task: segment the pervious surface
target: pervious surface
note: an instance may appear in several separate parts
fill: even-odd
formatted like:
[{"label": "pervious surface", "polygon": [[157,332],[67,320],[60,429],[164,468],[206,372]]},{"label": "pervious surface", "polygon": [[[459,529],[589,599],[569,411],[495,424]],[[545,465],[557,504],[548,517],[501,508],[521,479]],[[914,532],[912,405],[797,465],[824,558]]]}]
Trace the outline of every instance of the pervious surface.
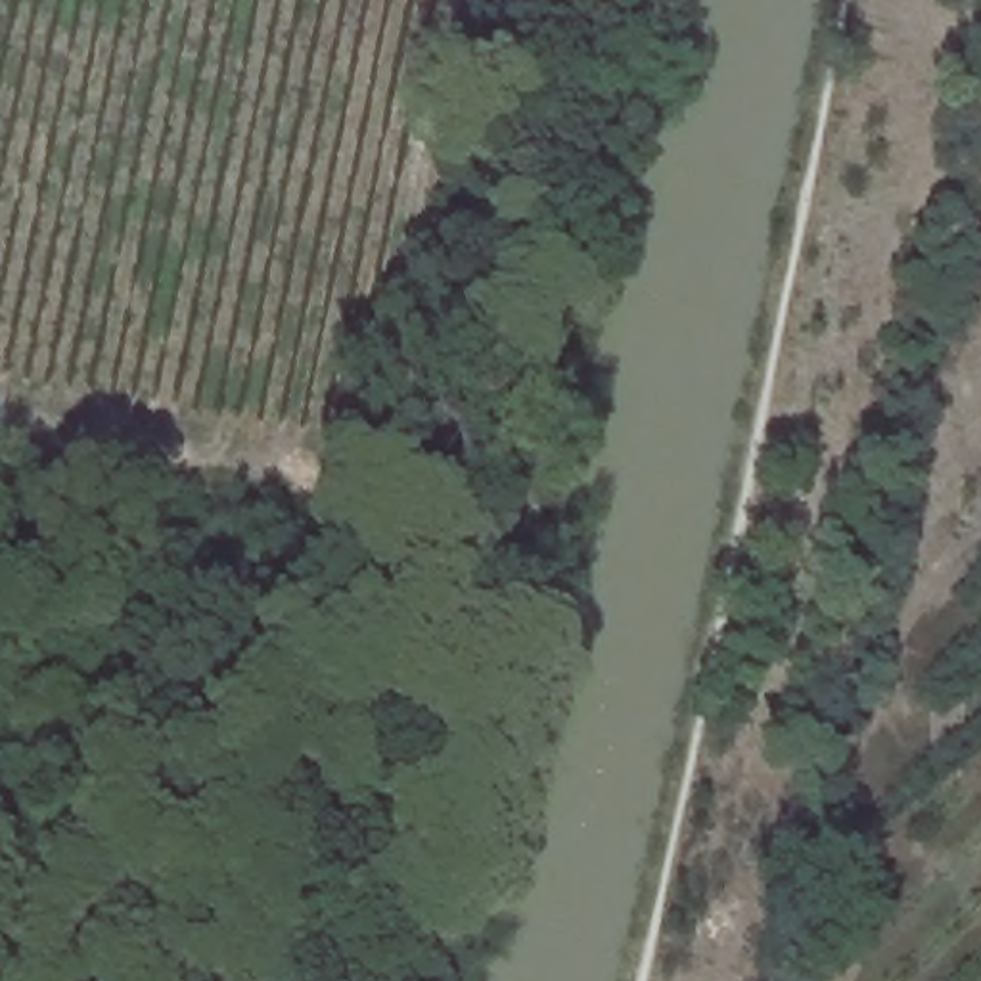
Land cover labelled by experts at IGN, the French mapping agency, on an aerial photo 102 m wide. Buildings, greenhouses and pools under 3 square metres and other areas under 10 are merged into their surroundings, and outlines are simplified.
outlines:
[{"label": "pervious surface", "polygon": [[648,931],[640,943],[636,981],[651,981],[655,966],[678,843],[705,743],[705,720],[697,717],[690,724],[686,763],[671,809]]},{"label": "pervious surface", "polygon": [[755,471],[770,418],[835,80],[820,84],[816,115],[812,130],[759,402],[743,448],[740,475],[732,513],[732,533],[740,536],[747,533],[751,502],[759,498]]}]

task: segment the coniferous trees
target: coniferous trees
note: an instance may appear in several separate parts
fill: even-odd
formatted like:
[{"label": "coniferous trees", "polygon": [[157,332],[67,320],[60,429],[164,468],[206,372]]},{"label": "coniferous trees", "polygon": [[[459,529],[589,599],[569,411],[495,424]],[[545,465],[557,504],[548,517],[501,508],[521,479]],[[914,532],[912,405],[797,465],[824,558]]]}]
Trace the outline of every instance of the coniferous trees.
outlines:
[{"label": "coniferous trees", "polygon": [[88,640],[96,628],[96,613],[69,613],[65,621],[46,617],[38,628],[31,628],[31,636]]},{"label": "coniferous trees", "polygon": [[23,487],[46,483],[46,468],[73,441],[100,441],[107,448],[146,448],[165,468],[180,456],[184,445],[172,414],[130,402],[126,395],[84,395],[73,410],[65,410],[57,425],[42,425],[27,441],[15,429],[0,433],[0,506],[15,521],[15,548],[34,540],[38,529],[23,513]]},{"label": "coniferous trees", "polygon": [[19,667],[23,678],[38,678],[54,667],[73,671],[80,678],[88,674],[88,667],[80,667],[69,655],[42,655]]},{"label": "coniferous trees", "polygon": [[314,487],[295,491],[280,471],[268,471],[264,479],[253,479],[241,491],[249,506],[280,506],[295,533],[280,552],[241,559],[234,579],[264,598],[257,602],[261,621],[249,625],[238,648],[211,663],[199,678],[192,678],[184,701],[176,701],[165,713],[149,713],[142,728],[115,728],[107,720],[88,724],[88,732],[80,736],[88,774],[77,782],[73,805],[57,816],[42,824],[27,820],[11,789],[0,782],[0,981],[295,981],[287,947],[307,931],[303,897],[318,897],[310,881],[314,866],[364,866],[383,881],[399,881],[399,904],[414,916],[422,931],[437,935],[433,950],[425,954],[425,966],[418,970],[425,973],[422,981],[487,981],[491,962],[510,950],[521,927],[513,908],[533,893],[536,881],[536,851],[544,851],[548,843],[540,835],[540,812],[556,782],[552,763],[563,755],[559,736],[571,720],[571,694],[582,682],[582,671],[590,671],[586,651],[582,621],[575,613],[579,605],[571,602],[571,594],[533,590],[525,582],[506,582],[502,590],[475,586],[479,559],[464,548],[464,536],[502,533],[494,529],[491,513],[479,513],[464,471],[448,456],[422,452],[418,437],[391,433],[387,425],[372,429],[364,422],[337,422],[337,437],[314,452]]}]

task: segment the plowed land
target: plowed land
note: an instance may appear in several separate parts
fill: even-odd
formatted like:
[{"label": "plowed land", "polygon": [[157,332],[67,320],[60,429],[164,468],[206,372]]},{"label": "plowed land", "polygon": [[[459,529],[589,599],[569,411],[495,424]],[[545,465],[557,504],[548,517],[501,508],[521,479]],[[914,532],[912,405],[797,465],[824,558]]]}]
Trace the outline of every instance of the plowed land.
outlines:
[{"label": "plowed land", "polygon": [[27,441],[42,425],[38,418],[31,418],[27,402],[0,402],[0,433],[15,429]]},{"label": "plowed land", "polygon": [[981,544],[981,314],[970,326],[970,337],[950,349],[950,368],[943,372],[950,406],[943,410],[943,422],[935,429],[935,464],[927,479],[916,582],[897,621],[901,632],[912,632],[924,613],[947,605],[954,582],[966,575]]}]

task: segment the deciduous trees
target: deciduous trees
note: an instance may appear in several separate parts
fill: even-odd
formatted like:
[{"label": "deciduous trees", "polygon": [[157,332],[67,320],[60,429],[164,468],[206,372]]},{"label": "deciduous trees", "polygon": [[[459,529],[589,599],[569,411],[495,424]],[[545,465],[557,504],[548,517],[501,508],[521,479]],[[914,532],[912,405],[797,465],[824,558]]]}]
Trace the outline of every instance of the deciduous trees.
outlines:
[{"label": "deciduous trees", "polygon": [[464,38],[437,50],[429,65],[429,161],[433,169],[445,165],[452,180],[433,180],[425,207],[414,218],[406,218],[402,249],[391,257],[387,268],[376,272],[376,287],[368,295],[341,299],[337,322],[341,333],[356,337],[379,299],[406,295],[425,333],[391,349],[387,379],[368,402],[345,387],[330,387],[322,402],[322,422],[337,422],[364,422],[372,429],[387,425],[391,433],[418,437],[422,452],[448,456],[464,471],[479,513],[491,513],[494,529],[502,533],[464,536],[464,548],[479,559],[475,586],[502,590],[506,582],[525,582],[533,590],[571,594],[571,602],[579,605],[575,613],[582,621],[586,651],[594,648],[594,636],[602,628],[602,609],[594,602],[590,579],[594,544],[613,502],[613,479],[594,479],[602,456],[598,418],[609,418],[613,410],[617,372],[609,356],[598,356],[598,333],[621,307],[617,287],[625,287],[640,272],[644,261],[651,192],[644,184],[644,172],[659,161],[659,130],[663,123],[678,126],[690,107],[701,103],[709,54],[717,54],[717,34],[705,31],[713,0],[471,0],[471,11],[460,19]]},{"label": "deciduous trees", "polygon": [[[38,529],[34,540],[15,548],[15,521],[0,506],[0,782],[11,789],[27,820],[42,824],[57,816],[73,805],[77,782],[88,774],[80,736],[88,732],[88,724],[107,720],[115,728],[142,728],[149,713],[165,713],[176,701],[184,701],[192,678],[199,678],[211,663],[238,648],[249,625],[261,621],[257,602],[264,598],[234,579],[241,559],[280,552],[295,533],[280,506],[249,506],[241,513],[211,513],[203,525],[195,517],[180,517],[180,494],[165,483],[165,468],[146,448],[107,448],[100,441],[73,441],[46,468],[46,483],[23,487],[23,513]],[[88,640],[31,636],[31,628],[38,628],[46,617],[65,621],[69,613],[96,613],[96,628]],[[73,671],[54,667],[38,678],[23,678],[19,667],[42,655],[69,655],[80,667],[88,667],[88,674],[80,678]]]},{"label": "deciduous trees", "polygon": [[287,947],[295,981],[422,981],[425,973],[418,970],[425,966],[425,954],[433,950],[437,935],[422,931],[414,916],[399,904],[399,881],[383,881],[364,866],[314,866],[310,881],[318,897],[303,897],[307,931]]},{"label": "deciduous trees", "polygon": [[916,582],[927,479],[935,464],[935,429],[943,422],[943,410],[950,406],[943,372],[950,368],[950,349],[970,337],[970,326],[981,314],[981,0],[943,0],[958,19],[958,27],[950,27],[943,46],[935,50],[939,107],[931,119],[931,138],[943,180],[927,192],[927,203],[920,211],[897,215],[901,249],[893,253],[893,318],[878,330],[878,337],[870,337],[858,349],[858,368],[874,383],[874,402],[862,410],[851,445],[839,460],[820,452],[824,437],[816,414],[770,418],[755,471],[759,498],[751,502],[747,533],[740,536],[740,544],[713,552],[709,567],[736,571],[743,582],[732,598],[713,594],[705,602],[709,617],[709,625],[720,636],[701,651],[701,671],[686,674],[674,713],[690,724],[697,717],[705,720],[705,743],[678,843],[655,966],[663,973],[690,970],[694,927],[705,920],[709,904],[724,897],[732,881],[732,858],[755,847],[763,878],[763,924],[747,931],[747,939],[755,943],[755,981],[981,981],[981,544],[966,575],[954,582],[947,605],[924,613],[912,632],[901,632],[897,621]]}]

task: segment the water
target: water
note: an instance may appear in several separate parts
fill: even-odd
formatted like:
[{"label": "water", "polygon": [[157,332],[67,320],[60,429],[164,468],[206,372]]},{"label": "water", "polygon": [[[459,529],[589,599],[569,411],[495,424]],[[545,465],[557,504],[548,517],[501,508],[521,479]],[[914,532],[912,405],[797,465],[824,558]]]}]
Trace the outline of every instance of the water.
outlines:
[{"label": "water", "polygon": [[743,448],[732,433],[732,406],[743,383],[751,379],[747,337],[755,314],[766,307],[770,211],[782,192],[793,126],[805,123],[812,130],[816,115],[801,103],[812,38],[812,0],[713,0],[705,31],[717,34],[717,54],[709,54],[701,103],[690,107],[678,126],[663,123],[659,130],[659,161],[644,172],[644,184],[651,192],[644,261],[640,272],[625,287],[617,287],[621,307],[598,333],[598,356],[609,356],[617,372],[613,410],[609,418],[598,418],[602,456],[594,479],[613,479],[613,502],[594,544],[590,579],[594,602],[602,609],[602,628],[594,636],[594,648],[586,651],[590,671],[582,671],[582,682],[571,694],[571,720],[559,736],[563,755],[552,763],[556,782],[540,812],[540,835],[548,843],[544,851],[536,851],[536,881],[533,893],[513,908],[521,927],[510,950],[491,962],[487,981],[617,981],[644,843],[663,801],[663,763],[674,736],[674,713],[686,674],[686,640],[701,617],[709,617],[705,602],[701,582],[709,567],[713,552],[709,536],[724,525],[717,517],[717,498],[728,479],[740,475]]}]

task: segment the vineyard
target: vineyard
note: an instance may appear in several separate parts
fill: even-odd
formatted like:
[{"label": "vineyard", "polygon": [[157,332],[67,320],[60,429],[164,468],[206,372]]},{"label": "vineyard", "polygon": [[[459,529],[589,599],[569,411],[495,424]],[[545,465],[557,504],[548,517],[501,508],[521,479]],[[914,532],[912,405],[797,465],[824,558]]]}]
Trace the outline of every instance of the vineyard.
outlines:
[{"label": "vineyard", "polygon": [[445,165],[433,169],[429,161],[429,65],[437,50],[464,38],[460,19],[471,11],[471,0],[0,0],[0,402],[27,402],[31,418],[38,418],[42,425],[57,425],[65,410],[73,410],[84,395],[126,395],[130,402],[172,414],[184,445],[180,456],[165,468],[165,483],[180,494],[180,517],[195,517],[203,525],[211,513],[241,513],[249,506],[241,491],[253,479],[264,479],[268,471],[280,471],[295,491],[314,487],[314,452],[337,437],[337,422],[322,422],[322,402],[330,387],[345,387],[368,402],[387,379],[391,349],[425,333],[406,295],[379,299],[356,337],[341,333],[337,322],[341,299],[368,295],[376,287],[376,272],[387,268],[391,257],[402,249],[406,218],[414,218],[425,207],[433,180],[452,180]]}]

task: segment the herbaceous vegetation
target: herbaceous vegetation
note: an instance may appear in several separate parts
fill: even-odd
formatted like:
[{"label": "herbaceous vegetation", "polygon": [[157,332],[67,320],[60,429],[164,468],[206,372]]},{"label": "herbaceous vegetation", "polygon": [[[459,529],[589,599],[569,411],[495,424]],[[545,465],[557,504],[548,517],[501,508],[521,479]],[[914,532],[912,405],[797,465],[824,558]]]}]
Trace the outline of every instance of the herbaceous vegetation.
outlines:
[{"label": "herbaceous vegetation", "polygon": [[690,970],[663,973],[655,966],[651,981],[755,981],[755,943],[747,939],[747,931],[763,924],[763,878],[755,847],[732,858],[732,881],[724,897],[709,904],[705,920],[694,927]]},{"label": "herbaceous vegetation", "polygon": [[935,50],[943,46],[950,27],[958,27],[958,19],[943,0],[812,0],[812,38],[820,42],[835,34],[862,42],[870,34],[874,65],[866,65],[855,80],[835,80],[770,418],[816,414],[824,437],[820,452],[839,460],[851,445],[862,410],[874,402],[874,383],[858,368],[858,349],[870,337],[878,337],[878,330],[893,318],[893,253],[901,249],[897,215],[920,211],[927,203],[927,192],[943,180],[931,138],[931,119],[939,107]]}]

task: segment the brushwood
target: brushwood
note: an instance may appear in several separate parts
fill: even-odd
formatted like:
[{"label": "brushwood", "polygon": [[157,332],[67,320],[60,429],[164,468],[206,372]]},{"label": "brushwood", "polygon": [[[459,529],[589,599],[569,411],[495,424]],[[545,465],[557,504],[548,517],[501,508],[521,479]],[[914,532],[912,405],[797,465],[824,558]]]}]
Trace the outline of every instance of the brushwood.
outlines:
[{"label": "brushwood", "polygon": [[805,123],[793,126],[782,192],[770,211],[766,307],[755,314],[747,337],[751,379],[743,383],[732,406],[732,433],[743,448],[759,402],[812,130]]},{"label": "brushwood", "polygon": [[644,843],[617,981],[636,981],[640,943],[648,931],[671,809],[686,763],[690,724],[674,713],[674,736],[663,763],[663,801]]},{"label": "brushwood", "polygon": [[701,582],[705,602],[713,594],[732,598],[743,582],[736,571],[709,567]]},{"label": "brushwood", "polygon": [[866,65],[874,65],[870,34],[862,42],[835,34],[820,42],[812,38],[801,103],[816,115],[820,84],[835,80],[855,80]]},{"label": "brushwood", "polygon": [[701,671],[701,651],[720,636],[709,625],[709,617],[701,617],[686,640],[686,674]]},{"label": "brushwood", "polygon": [[709,536],[713,552],[740,544],[740,536],[732,533],[732,513],[740,475],[728,479],[717,498],[717,517],[724,525]]}]

